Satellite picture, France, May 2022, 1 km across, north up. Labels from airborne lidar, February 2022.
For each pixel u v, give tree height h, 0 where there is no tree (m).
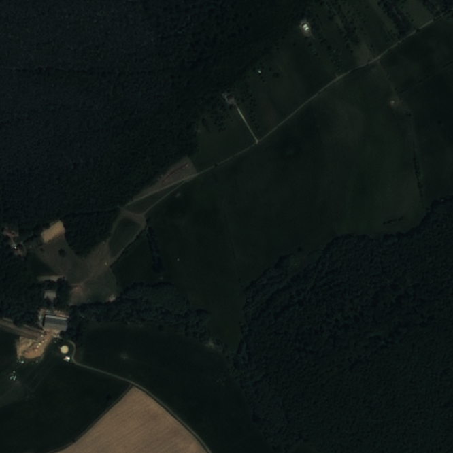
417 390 24
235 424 0
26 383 0
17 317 11
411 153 0
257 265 0
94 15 16
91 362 0
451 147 0
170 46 14
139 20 20
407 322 24
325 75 0
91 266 0
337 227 0
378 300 25
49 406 0
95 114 16
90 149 18
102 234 17
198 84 26
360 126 0
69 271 0
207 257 0
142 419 0
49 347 0
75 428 0
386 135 0
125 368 0
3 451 0
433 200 0
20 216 18
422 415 23
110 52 19
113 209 17
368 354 24
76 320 22
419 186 7
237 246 0
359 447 23
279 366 24
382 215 0
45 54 16
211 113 7
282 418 15
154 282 0
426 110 0
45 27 18
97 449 0
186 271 0
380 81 0
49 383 0
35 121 18
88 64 17
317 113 0
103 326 0
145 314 21
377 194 0
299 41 0
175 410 0
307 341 30
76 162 19
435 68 0
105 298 0
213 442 0
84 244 18
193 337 13
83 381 0
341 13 6
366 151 0
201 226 0
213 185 0
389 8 16
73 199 18
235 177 0
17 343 0
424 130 0
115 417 0
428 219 14
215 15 13
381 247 21
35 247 0
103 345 0
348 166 0
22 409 0
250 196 0
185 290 0
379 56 0
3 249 20
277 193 0
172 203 0
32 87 17
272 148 0
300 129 0
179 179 0
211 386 0
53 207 18
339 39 0
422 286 23
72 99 19
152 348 0
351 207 0
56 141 22
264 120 0
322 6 9
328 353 27
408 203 0
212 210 0
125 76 21
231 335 0
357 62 0
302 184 0
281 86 0
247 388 18
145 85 25
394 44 0
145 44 16
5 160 25
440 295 28
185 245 0
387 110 0
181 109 24
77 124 18
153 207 0
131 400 0
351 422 22
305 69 0
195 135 16
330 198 0
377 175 0
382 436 23
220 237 0
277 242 0
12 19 18
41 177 19
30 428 0
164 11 21
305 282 21
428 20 0
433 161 0
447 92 0
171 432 0
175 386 0
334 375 18
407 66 0
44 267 0
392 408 19
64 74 21
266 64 0
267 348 26
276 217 0
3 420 0
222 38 11
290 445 14
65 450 0
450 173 0
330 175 0
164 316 22
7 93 17
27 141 24
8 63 18
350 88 0
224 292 0
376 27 0
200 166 0
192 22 13
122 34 17
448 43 0
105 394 0
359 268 20
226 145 0
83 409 0
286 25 18
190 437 0
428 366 21
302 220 0
